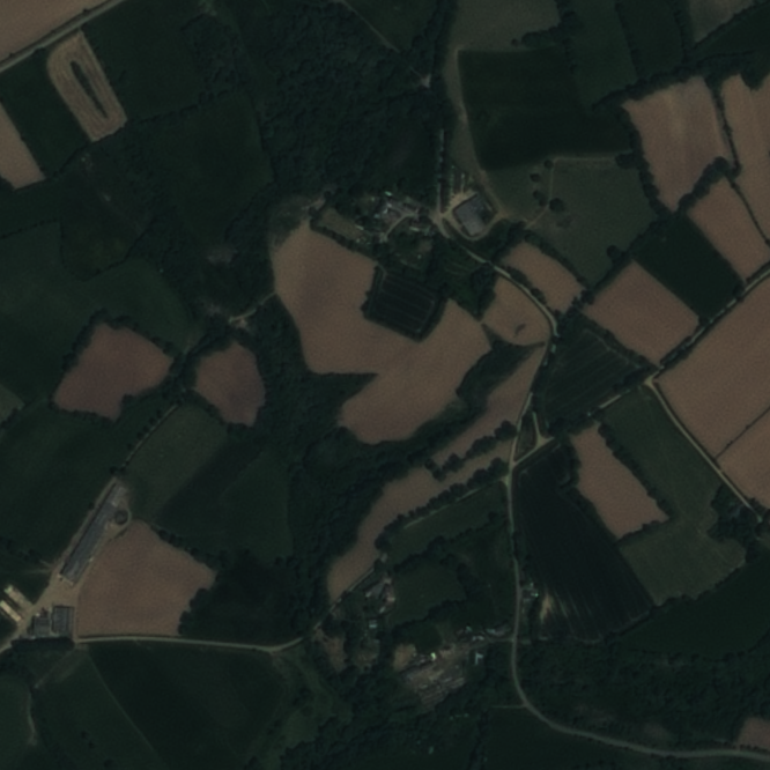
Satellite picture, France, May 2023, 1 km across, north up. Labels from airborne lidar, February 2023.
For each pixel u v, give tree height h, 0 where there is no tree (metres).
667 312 0
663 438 0
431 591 0
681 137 0
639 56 11
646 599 0
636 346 0
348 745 6
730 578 6
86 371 0
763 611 0
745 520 17
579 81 0
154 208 6
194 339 0
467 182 0
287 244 0
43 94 0
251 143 0
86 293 0
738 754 0
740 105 0
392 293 0
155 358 0
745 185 0
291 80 10
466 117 0
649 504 0
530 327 0
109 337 0
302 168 13
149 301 0
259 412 11
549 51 0
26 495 0
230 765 0
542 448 0
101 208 0
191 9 0
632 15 0
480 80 0
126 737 0
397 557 0
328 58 15
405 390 0
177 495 0
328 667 7
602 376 0
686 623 0
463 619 0
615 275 7
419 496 0
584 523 0
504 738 0
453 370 0
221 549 0
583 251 0
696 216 0
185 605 0
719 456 0
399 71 16
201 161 0
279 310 7
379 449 8
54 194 0
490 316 0
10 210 0
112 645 0
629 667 6
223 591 0
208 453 0
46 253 0
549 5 0
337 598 0
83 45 0
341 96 12
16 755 0
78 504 0
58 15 0
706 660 7
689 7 0
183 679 0
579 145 0
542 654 10
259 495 0
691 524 0
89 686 0
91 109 0
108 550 0
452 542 9
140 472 0
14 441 0
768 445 0
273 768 0
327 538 9
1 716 0
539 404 15
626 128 9
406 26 0
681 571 0
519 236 18
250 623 0
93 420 12
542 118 0
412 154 0
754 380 0
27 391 0
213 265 0
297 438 11
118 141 7
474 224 0
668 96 0
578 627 0
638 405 0
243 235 17
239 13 0
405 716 7
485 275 25
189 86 0
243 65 8
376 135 13
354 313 0
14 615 0
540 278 0
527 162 0
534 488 0
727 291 0
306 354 0
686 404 0
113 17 0
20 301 0
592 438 0
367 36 16
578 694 9
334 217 0
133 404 16
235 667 0
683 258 0
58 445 0
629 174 0
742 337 0
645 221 0
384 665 16
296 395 9
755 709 9
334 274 0
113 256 0
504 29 0
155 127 13
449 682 0
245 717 0
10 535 0
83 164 0
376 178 7
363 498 17
